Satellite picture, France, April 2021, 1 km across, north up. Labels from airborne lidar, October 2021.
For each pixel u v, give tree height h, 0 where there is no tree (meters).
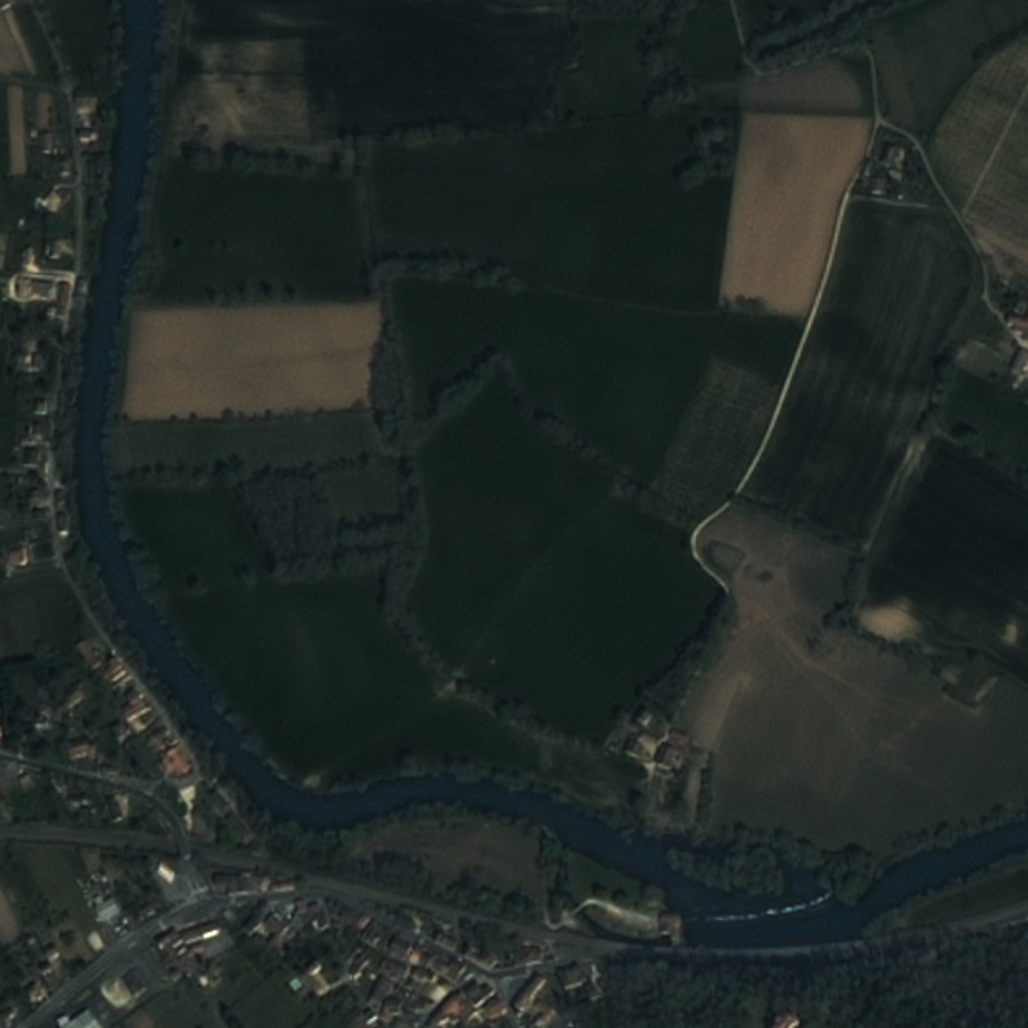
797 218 0
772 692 0
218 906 0
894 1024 17
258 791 0
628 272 0
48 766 18
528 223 0
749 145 0
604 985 19
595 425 0
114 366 8
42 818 7
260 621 0
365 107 0
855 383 0
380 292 13
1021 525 0
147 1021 0
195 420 10
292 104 0
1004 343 0
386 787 0
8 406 0
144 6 0
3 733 8
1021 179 11
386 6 0
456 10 0
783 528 11
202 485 14
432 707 0
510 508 0
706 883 20
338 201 0
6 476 7
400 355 21
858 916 0
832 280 0
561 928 0
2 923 0
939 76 0
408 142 21
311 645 0
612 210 0
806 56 20
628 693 0
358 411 9
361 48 0
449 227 0
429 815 11
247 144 0
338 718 0
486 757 0
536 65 0
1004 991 18
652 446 0
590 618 0
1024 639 0
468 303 0
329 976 17
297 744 0
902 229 0
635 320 0
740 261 0
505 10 0
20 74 0
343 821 0
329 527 21
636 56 0
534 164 0
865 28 14
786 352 0
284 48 0
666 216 0
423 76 0
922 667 21
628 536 0
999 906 0
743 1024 19
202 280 0
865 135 0
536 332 0
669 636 0
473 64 0
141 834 17
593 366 0
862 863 25
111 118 22
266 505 12
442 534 0
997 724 0
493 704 14
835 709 0
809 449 0
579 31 14
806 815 0
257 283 0
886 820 0
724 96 0
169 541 0
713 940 0
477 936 22
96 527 0
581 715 0
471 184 0
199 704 0
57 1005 0
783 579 0
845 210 0
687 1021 16
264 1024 0
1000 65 10
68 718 9
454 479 0
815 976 21
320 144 0
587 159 0
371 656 0
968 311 0
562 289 0
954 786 0
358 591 0
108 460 7
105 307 0
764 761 0
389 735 0
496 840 0
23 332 15
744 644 0
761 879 16
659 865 0
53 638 0
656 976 13
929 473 0
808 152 0
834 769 0
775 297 0
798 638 0
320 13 0
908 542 0
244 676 0
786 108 0
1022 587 0
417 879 21
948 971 14
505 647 0
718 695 0
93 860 0
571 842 0
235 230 0
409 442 23
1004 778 0
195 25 0
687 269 0
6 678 10
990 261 11
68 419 8
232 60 0
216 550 0
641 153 0
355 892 0
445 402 25
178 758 0
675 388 0
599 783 0
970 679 0
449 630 0
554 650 0
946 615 0
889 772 0
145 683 11
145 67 0
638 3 17
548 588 0
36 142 7
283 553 15
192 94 0
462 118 0
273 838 21
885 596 0
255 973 0
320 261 0
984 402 0
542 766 0
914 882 0
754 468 0
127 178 0
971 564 0
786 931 0
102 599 21
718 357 0
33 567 0
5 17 0
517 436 0
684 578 0
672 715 18
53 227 19
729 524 0
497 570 0
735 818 0
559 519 0
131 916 7
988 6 0
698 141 18
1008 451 0
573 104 0
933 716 0
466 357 0
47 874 0
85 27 0
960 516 0
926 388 0
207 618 0
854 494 0
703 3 7
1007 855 9
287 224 0
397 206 0
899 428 0
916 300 0
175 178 0
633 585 0
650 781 0
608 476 14
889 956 9
